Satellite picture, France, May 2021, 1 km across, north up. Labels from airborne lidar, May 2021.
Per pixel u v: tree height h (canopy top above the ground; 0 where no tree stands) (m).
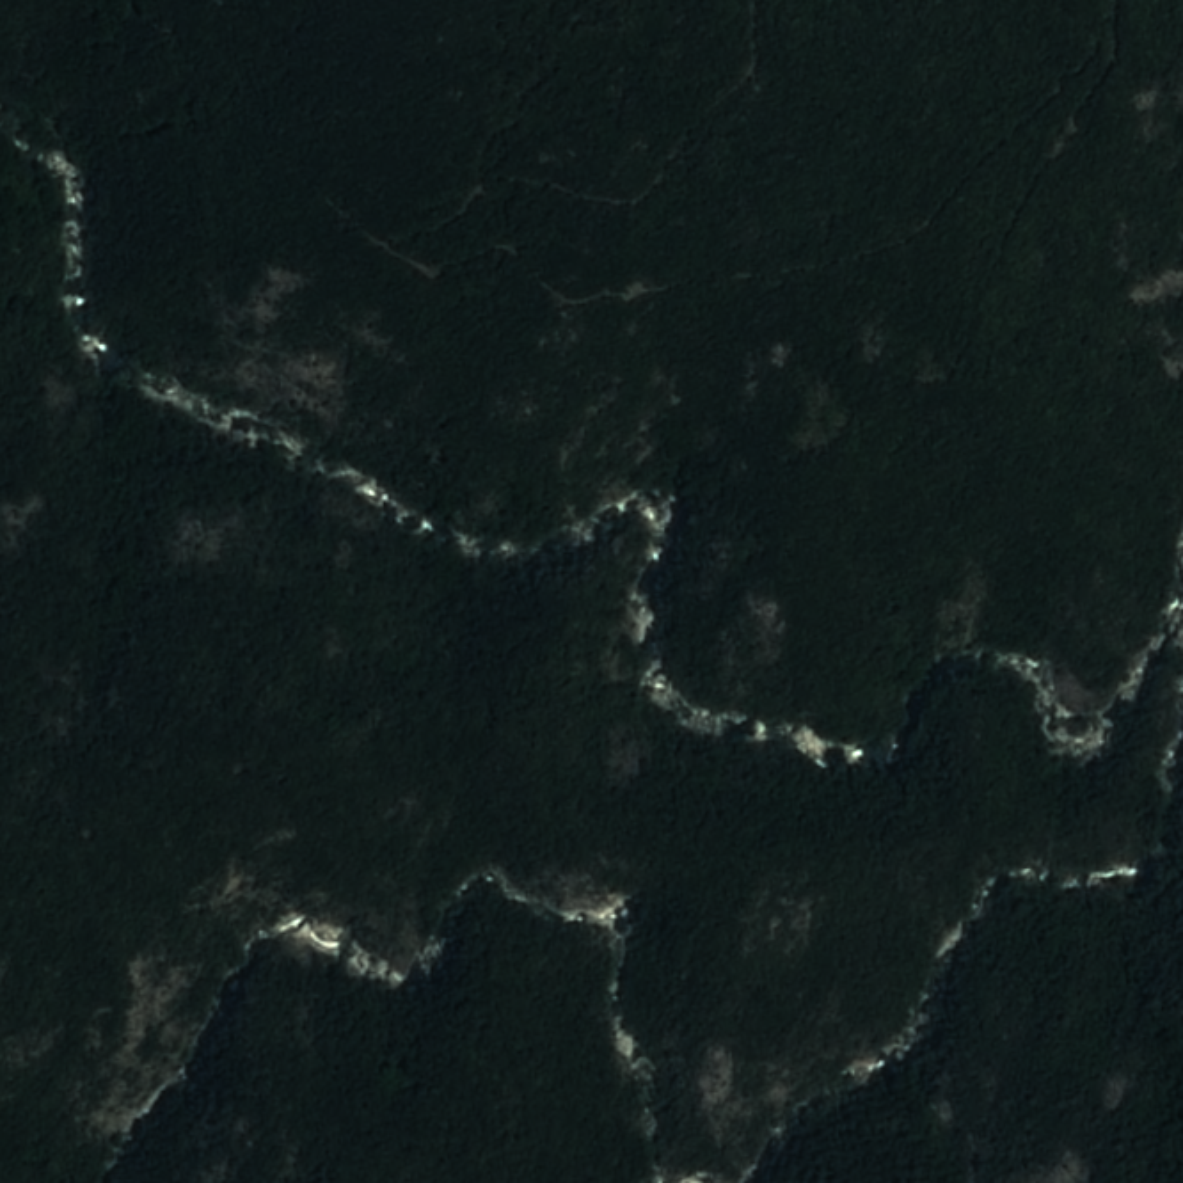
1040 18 14
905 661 19
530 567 16
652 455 7
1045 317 15
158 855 10
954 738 7
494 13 8
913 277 8
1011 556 9
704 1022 7
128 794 9
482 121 12
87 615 13
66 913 11
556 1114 13
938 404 7
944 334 7
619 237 10
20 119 19
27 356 8
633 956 9
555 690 16
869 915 10
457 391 15
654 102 8
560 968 13
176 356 8
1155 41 10
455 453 14
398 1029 18
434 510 20
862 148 7
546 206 10
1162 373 13
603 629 10
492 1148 13
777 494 9
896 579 13
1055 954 12
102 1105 9
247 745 14
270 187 9
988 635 19
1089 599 5
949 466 11
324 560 7
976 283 8
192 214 12
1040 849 8
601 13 11
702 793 13
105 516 16
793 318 11
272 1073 11
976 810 8
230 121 7
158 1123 13
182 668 13
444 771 11
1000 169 13
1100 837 8
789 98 10
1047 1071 7
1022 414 8
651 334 11
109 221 11
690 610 7
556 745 7
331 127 9
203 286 8
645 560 9
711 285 13
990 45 16
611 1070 9
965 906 7
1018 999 9
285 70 11
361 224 9
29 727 10
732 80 9
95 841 13
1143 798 13
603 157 8
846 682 5
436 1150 15
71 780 11
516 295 12
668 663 14
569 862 9
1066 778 14
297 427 10
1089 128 9
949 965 8
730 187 8
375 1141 12
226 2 8
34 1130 12
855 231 7
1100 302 14
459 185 10
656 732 9
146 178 10
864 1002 8
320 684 16
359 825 8
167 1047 7
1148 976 8
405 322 8
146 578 12
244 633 13
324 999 7
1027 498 8
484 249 10
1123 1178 10
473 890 9
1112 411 10
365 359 10
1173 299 8
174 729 10
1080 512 7
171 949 9
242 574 7
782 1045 9
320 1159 12
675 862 6
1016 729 9
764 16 12
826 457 13
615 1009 7
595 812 13
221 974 14
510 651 10
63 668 6
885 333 10
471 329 13
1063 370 11
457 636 9
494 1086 17
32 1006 10
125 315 13
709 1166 8
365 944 10
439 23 8
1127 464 7
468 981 16
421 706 8
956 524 11
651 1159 18
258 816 11
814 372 11
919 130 12
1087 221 12
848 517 13
